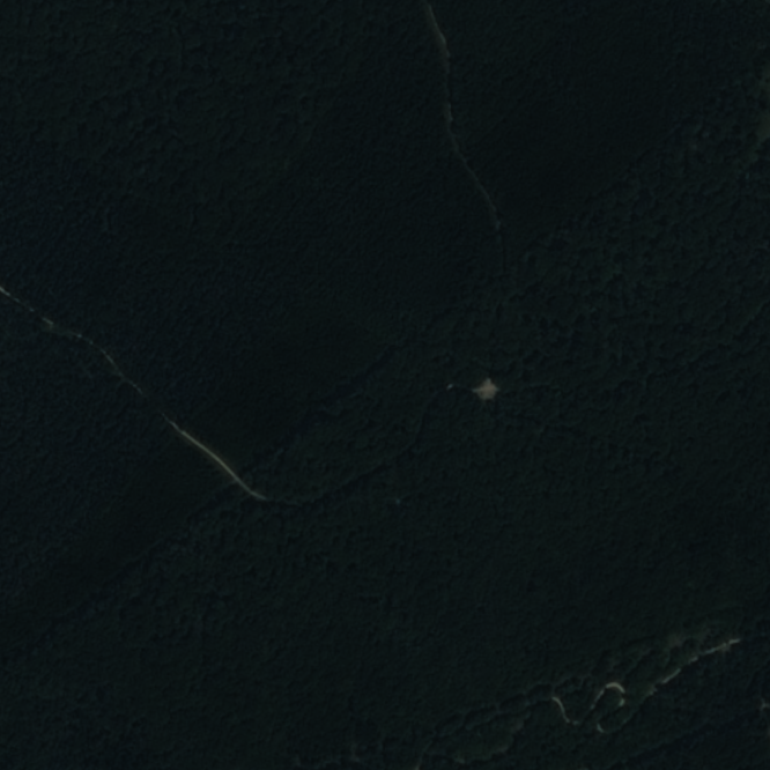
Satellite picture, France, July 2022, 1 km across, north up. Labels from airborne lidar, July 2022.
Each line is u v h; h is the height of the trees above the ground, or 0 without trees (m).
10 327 21
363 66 18
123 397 21
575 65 17
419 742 16
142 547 12
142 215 22
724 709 27
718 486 20
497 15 19
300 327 8
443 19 18
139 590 20
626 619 21
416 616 25
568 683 10
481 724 18
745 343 23
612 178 17
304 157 14
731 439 21
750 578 19
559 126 21
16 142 23
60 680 24
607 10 17
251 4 30
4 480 22
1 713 18
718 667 23
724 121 26
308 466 22
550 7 19
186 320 25
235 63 29
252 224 17
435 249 14
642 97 15
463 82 20
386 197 19
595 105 14
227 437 9
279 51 33
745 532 21
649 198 30
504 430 22
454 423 21
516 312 26
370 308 13
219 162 31
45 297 20
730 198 22
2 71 19
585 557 22
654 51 14
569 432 22
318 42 30
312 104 22
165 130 27
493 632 22
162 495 15
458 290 15
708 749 22
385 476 20
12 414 22
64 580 11
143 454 20
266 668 23
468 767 13
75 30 20
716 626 11
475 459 22
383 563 24
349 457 20
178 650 27
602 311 27
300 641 23
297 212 12
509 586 23
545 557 20
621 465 24
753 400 28
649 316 29
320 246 18
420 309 16
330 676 22
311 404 12
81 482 21
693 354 20
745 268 27
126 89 9
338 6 30
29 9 26
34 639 10
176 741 24
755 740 22
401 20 20
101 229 16
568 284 26
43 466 19
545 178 20
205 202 25
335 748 24
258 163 32
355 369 8
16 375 18
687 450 21
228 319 24
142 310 19
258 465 16
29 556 18
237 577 27
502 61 18
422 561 27
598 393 21
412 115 18
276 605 23
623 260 28
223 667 27
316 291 10
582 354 26
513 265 25
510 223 17
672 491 26
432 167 19
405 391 20
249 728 26
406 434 19
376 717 18
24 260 22
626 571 25
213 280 19
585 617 21
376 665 24
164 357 20
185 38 29
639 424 27
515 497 22
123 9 24
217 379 20
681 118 14
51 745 27
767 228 26
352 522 17
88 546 9
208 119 29
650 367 19
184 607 19
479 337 27
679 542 23
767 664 18
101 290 24
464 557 21
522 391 17
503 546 22
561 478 24
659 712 21
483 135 18
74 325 17
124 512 9
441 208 19
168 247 18
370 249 14
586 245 14
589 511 23
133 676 29
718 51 17
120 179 27
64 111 25
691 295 28
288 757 20
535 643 22
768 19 17
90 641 27
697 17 22
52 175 22
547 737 20
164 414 15
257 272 20
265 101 24
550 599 25
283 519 27
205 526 26
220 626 27
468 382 19
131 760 30
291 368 10
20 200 20
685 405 26
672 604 20
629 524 23
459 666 22
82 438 24
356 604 26
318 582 28
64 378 19
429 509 24
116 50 25
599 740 19
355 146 14
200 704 24
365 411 26
